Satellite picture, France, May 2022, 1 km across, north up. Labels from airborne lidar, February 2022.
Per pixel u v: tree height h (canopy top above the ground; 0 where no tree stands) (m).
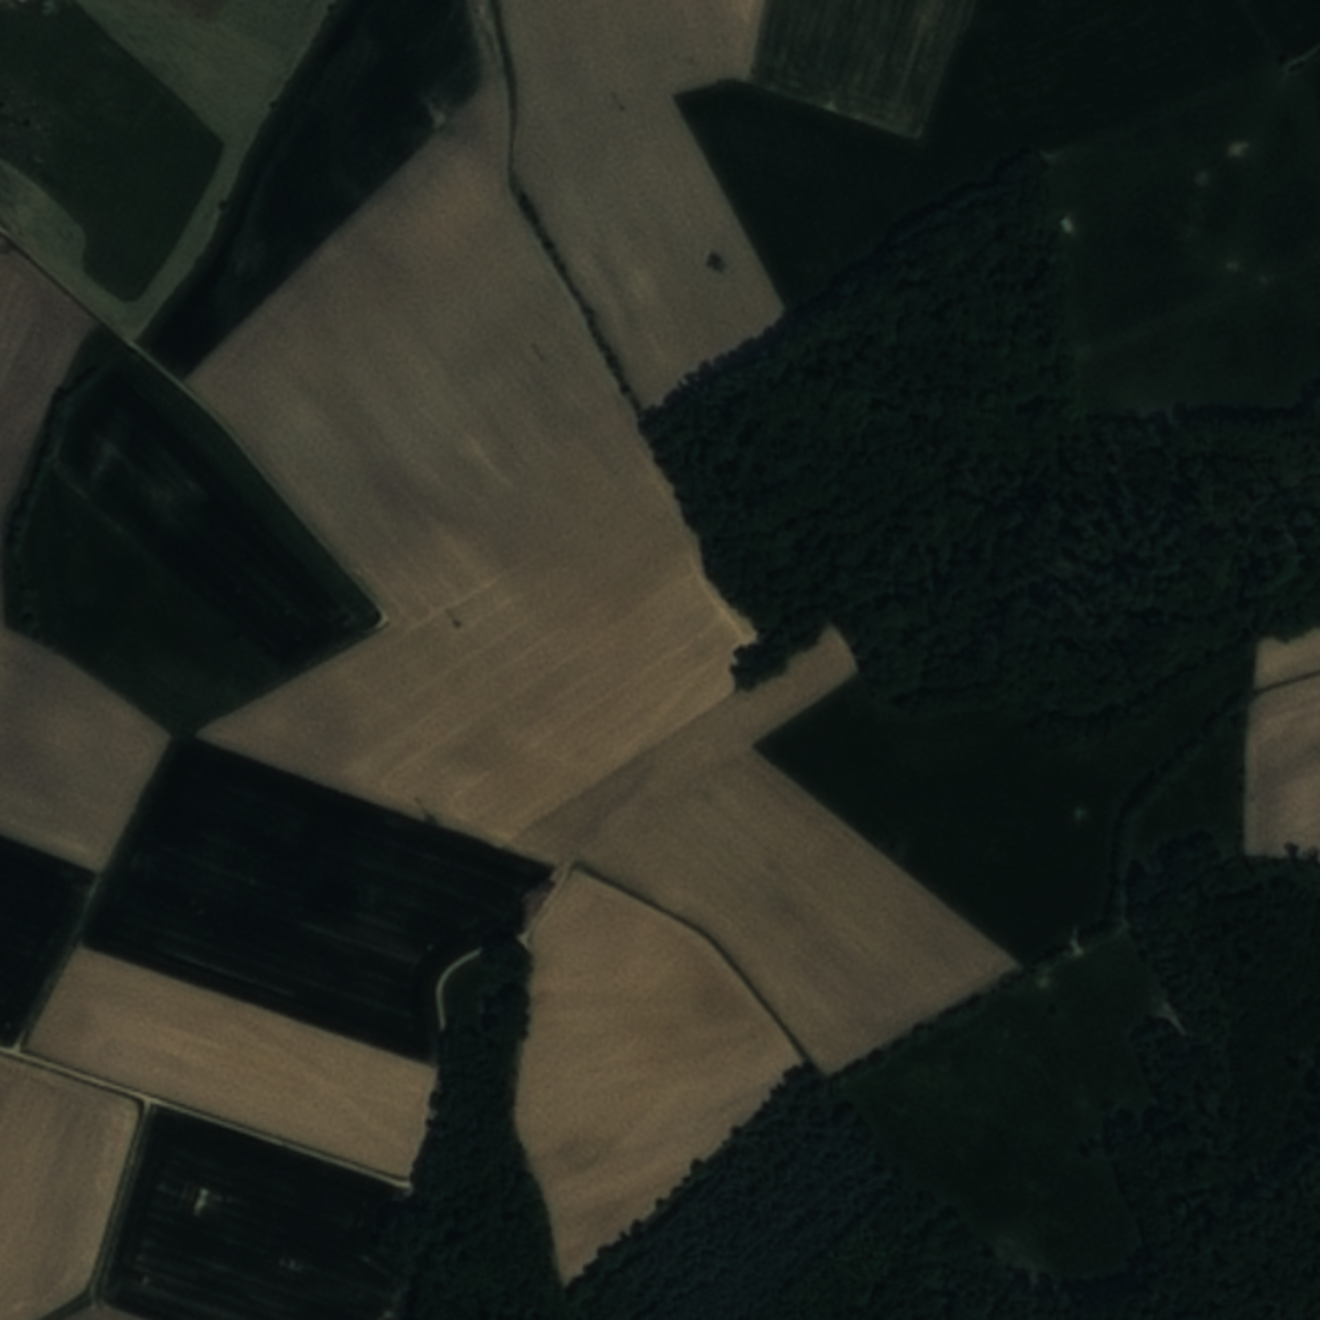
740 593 26
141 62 0
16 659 0
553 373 0
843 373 26
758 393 26
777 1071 0
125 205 0
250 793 0
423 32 0
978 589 28
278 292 0
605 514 0
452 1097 16
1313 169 0
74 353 0
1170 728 0
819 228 0
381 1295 0
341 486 0
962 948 0
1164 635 31
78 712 0
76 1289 0
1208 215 0
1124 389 0
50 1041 0
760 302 0
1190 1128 25
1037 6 0
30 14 0
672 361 0
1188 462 9
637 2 0
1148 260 0
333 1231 0
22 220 0
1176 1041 20
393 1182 0
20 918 0
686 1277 11
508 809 0
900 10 0
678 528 0
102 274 0
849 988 0
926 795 0
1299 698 0
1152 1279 27
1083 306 0
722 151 0
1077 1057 0
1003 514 26
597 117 0
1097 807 0
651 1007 0
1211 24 0
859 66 0
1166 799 0
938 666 22
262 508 0
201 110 0
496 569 0
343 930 0
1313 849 0
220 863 0
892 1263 17
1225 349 0
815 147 0
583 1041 0
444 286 0
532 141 0
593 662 0
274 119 0
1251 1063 12
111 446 0
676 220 0
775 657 15
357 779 0
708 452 27
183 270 0
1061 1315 32
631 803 0
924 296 23
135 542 0
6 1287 0
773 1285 9
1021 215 22
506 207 0
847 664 0
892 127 0
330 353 0
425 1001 0
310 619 0
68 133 0
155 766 0
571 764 0
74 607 0
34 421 0
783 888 0
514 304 0
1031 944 0
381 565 0
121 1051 0
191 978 0
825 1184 12
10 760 0
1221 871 24
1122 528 33
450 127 0
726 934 0
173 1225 0
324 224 0
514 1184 25
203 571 0
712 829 0
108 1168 0
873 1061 8
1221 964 7
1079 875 0
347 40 0
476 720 0
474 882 0
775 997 0
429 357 0
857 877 0
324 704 0
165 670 0
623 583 0
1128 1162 18
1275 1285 26
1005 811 0
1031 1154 0
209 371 0
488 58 0
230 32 0
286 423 0
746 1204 8
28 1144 0
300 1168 0
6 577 0
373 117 0
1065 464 9
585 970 0
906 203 0
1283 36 0
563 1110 0
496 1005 16
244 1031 0
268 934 0
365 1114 0
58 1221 0
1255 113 0
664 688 0
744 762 0
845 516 28
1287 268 0
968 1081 0
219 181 0
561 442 0
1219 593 28
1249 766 0
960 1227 22
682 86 0
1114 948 0
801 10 0
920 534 30
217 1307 0
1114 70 0
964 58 0
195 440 0
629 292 0
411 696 0
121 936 0
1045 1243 0
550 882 0
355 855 0
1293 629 19
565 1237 0
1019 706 16
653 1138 0
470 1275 26
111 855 0
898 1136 0
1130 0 0
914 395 23
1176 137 0
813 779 0
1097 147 0
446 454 0
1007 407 26
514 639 0
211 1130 0
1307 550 28
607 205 0
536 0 0
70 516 0
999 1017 0
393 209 0
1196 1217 25
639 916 0
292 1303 0
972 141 0
